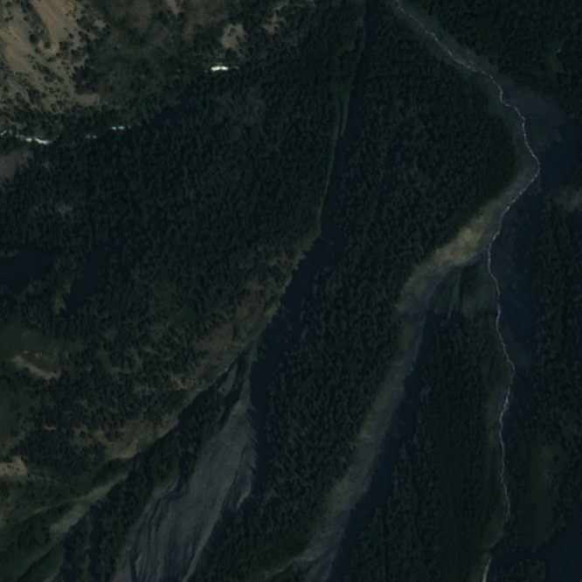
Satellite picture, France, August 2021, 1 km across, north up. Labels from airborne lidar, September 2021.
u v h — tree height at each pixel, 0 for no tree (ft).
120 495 61
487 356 24
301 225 59
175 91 37
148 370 73
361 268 36
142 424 22
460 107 72
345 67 37
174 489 0
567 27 37
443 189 64
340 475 73
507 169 40
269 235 46
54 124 59
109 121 39
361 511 0
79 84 25
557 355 22
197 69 26
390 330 96
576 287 75
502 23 60
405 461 30
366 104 84
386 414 0
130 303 35
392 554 33
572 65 63
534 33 68
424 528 30
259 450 0
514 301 0
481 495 33
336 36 48
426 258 50
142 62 24
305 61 48
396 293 56
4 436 0
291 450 101
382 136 80
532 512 0
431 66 98
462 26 51
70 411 54
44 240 28
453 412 24
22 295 70
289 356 41
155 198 30
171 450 21
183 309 93
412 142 89
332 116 63
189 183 27
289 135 35
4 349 0
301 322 96
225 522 0
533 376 20
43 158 22
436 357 30
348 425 110
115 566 60
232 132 69
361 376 32
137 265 28
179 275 41
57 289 37
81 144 31
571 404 29
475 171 54
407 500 21
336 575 0
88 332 40
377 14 46
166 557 0
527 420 35
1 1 0
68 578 0
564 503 21
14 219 29
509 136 29
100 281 20
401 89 61
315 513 84
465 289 32
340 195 34
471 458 26
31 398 19
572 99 19
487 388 34
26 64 0
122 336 41
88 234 31
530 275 26
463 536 20
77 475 46
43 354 0
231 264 112
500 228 0
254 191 78
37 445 31
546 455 0
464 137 67
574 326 57
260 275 31
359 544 33
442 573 20
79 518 0
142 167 18
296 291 0
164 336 24
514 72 53
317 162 48
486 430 58
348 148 52
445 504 18
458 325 28
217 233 39
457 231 26
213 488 0
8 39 0
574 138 28
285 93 101
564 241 52
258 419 0
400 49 68
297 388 27
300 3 19
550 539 0
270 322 0
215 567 25
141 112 43
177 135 45
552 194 0
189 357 39
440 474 25
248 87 73
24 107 25
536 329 47
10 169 0
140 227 23
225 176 27
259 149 36
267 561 38
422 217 111
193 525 0
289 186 46
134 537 0
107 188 59
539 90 58
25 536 42
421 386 18
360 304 50
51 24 0
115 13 0
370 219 56
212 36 20
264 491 31
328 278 22
